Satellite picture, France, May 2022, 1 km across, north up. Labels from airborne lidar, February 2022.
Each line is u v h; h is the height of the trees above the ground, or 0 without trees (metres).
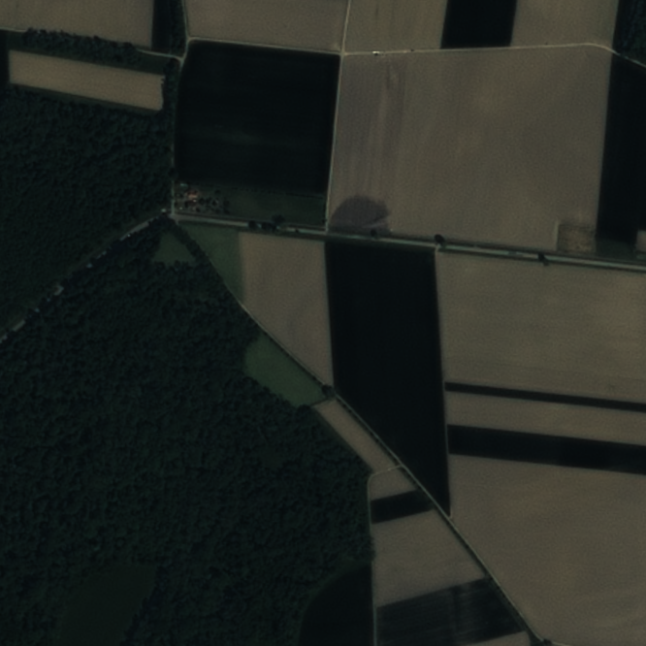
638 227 0
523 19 0
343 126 0
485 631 0
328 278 0
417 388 0
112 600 0
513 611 0
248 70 0
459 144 0
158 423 29
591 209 0
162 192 20
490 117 0
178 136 0
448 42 0
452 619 0
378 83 0
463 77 0
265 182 0
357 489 12
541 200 0
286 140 0
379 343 0
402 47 0
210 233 0
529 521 0
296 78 0
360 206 0
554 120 0
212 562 22
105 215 20
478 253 0
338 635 0
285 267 0
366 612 0
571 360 0
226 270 0
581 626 0
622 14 0
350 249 0
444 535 0
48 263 23
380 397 0
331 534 24
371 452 0
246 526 28
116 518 25
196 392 24
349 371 0
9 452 29
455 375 0
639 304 0
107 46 16
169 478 25
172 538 18
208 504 24
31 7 0
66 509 32
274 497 26
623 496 0
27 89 0
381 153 0
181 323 26
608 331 0
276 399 16
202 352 21
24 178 24
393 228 0
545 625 0
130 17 0
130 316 18
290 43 0
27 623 27
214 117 0
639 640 0
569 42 0
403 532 0
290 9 0
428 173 0
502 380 0
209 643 24
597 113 0
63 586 22
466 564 0
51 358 27
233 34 0
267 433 24
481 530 0
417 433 0
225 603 24
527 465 0
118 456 28
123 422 24
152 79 0
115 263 24
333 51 0
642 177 0
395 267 0
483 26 0
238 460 22
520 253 0
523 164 0
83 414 18
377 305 0
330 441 20
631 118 0
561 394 0
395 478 0
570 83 0
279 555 22
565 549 0
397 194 0
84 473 29
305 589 23
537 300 0
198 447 25
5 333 0
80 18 0
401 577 0
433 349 0
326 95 0
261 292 0
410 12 0
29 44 20
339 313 0
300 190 0
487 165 0
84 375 21
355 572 0
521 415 0
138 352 27
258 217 0
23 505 30
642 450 0
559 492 0
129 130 24
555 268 0
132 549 11
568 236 0
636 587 0
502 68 0
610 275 0
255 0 0
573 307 0
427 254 0
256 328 16
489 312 0
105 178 26
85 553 26
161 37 0
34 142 20
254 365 0
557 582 0
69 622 0
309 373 0
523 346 0
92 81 0
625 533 0
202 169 0
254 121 0
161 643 13
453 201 0
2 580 28
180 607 30
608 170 0
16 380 27
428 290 0
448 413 0
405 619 0
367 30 0
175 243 0
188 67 0
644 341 0
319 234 0
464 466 0
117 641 0
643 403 0
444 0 0
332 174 0
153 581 0
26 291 21
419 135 0
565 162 0
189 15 0
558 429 0
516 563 0
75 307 23
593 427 0
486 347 0
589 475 0
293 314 0
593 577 0
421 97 0
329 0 0
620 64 0
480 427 0
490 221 0
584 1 0
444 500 0
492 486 0
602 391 0
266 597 0
